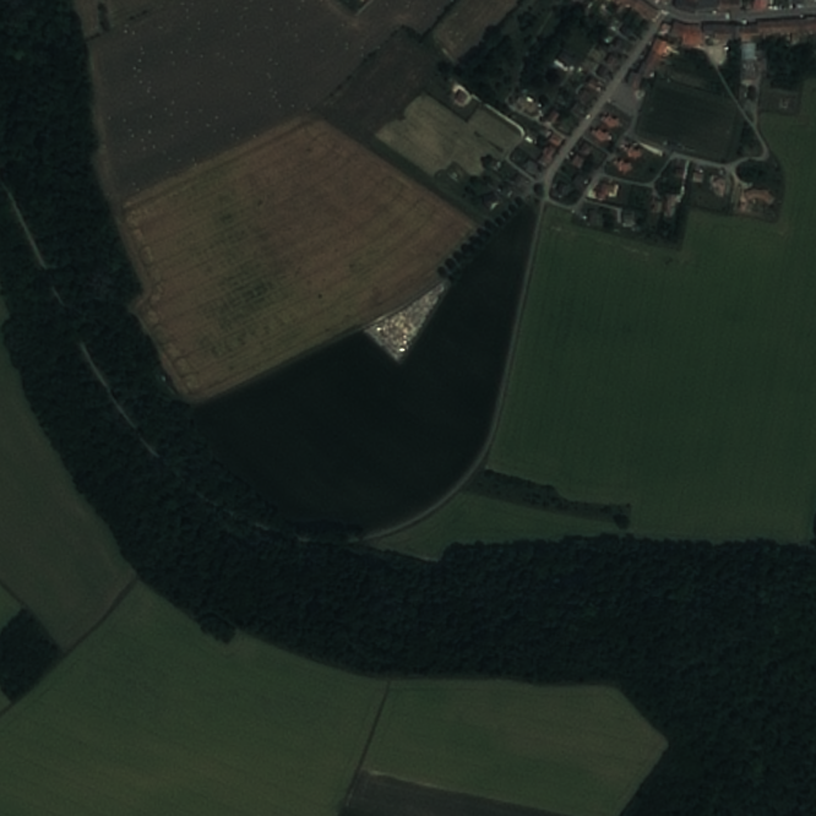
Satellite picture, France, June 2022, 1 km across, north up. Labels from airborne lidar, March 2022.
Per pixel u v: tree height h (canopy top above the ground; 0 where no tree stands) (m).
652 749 0
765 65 0
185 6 0
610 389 0
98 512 9
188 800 0
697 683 11
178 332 0
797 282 0
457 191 0
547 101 13
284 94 0
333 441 0
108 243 14
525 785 0
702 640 14
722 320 0
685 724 13
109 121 0
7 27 17
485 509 0
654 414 0
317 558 23
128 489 22
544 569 11
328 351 0
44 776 0
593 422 0
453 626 22
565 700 0
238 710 0
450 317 0
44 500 0
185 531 27
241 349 0
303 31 0
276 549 17
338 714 0
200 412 0
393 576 24
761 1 0
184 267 0
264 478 0
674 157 0
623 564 25
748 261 0
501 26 6
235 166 0
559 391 0
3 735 0
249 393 0
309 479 0
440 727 0
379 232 0
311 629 20
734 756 18
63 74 18
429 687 0
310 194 0
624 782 0
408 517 0
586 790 0
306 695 0
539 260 0
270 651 0
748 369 0
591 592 20
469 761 0
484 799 0
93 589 0
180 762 0
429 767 0
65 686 0
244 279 0
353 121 0
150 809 0
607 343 0
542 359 0
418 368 0
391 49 0
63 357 21
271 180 0
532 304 0
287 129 0
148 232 0
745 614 13
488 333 0
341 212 0
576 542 10
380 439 0
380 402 0
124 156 0
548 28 0
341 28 0
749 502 0
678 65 0
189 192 0
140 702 0
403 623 25
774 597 15
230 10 0
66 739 0
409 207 0
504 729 0
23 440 0
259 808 0
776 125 0
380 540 0
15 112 23
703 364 0
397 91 0
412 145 0
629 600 27
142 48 0
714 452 0
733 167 0
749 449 0
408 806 0
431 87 0
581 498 0
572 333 0
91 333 18
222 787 0
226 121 0
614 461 0
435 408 0
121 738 0
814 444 0
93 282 19
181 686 0
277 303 0
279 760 0
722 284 0
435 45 0
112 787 0
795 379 0
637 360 0
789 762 24
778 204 0
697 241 0
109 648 0
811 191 0
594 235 0
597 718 0
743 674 9
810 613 15
